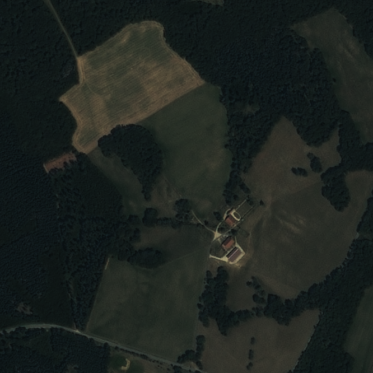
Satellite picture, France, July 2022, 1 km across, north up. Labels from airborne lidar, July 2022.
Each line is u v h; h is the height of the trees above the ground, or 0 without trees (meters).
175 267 0
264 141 20
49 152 18
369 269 22
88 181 8
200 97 0
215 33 18
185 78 0
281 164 0
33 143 14
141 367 0
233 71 21
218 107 0
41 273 21
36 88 22
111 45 0
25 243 22
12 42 22
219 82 21
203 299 20
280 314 19
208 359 0
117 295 0
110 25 21
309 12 19
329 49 0
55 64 22
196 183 0
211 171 0
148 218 23
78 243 33
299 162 0
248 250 0
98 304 0
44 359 22
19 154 21
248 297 0
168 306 0
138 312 0
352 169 21
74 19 20
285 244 0
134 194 0
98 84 0
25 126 14
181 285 0
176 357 0
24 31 24
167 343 0
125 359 0
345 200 19
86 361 19
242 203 0
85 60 0
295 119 24
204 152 0
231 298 0
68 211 6
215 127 0
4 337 26
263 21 16
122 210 24
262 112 18
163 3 24
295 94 16
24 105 21
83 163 28
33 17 23
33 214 19
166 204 0
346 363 6
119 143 22
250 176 0
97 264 24
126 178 0
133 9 15
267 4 18
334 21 0
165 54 0
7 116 17
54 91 22
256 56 20
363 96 0
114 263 0
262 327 0
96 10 19
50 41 22
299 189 0
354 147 27
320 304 15
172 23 18
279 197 0
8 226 18
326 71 17
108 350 20
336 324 18
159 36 0
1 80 20
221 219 22
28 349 16
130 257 21
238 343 0
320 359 18
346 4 20
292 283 0
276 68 22
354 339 0
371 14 23
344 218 0
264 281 0
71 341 19
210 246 0
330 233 0
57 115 17
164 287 0
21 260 19
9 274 23
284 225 0
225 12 14
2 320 11
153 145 25
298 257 0
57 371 16
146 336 0
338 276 25
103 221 27
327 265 0
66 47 22
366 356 0
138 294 0
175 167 0
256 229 0
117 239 21
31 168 22
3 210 19
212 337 0
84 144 0
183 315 0
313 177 0
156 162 23
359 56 0
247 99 10
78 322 24
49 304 8
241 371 0
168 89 0
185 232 0
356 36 19
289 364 0
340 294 21
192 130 0
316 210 0
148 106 0
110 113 0
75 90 0
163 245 0
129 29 0
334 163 0
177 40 19
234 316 29
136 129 20
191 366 0
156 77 0
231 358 0
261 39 12
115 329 0
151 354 0
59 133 22
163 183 0
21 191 21
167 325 0
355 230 0
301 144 0
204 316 24
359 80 0
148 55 0
